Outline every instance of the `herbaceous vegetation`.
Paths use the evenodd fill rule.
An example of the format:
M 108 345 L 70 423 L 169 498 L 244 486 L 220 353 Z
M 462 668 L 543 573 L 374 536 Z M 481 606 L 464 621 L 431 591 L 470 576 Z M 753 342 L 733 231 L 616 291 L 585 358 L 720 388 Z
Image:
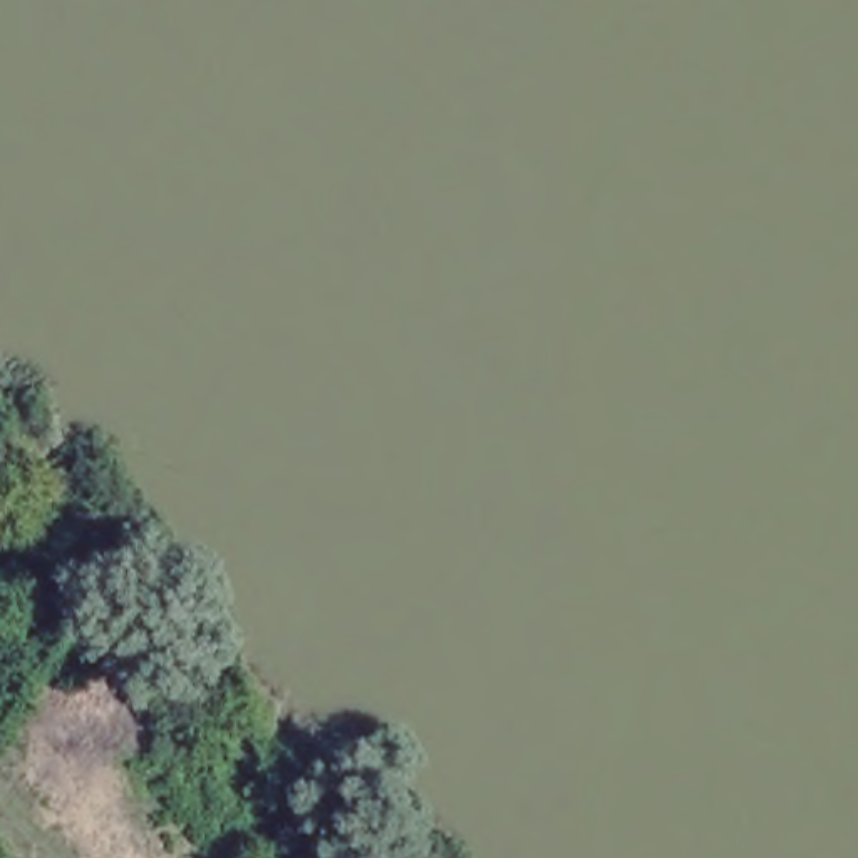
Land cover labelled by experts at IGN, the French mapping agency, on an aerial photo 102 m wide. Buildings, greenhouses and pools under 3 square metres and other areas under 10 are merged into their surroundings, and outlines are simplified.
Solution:
M 0 757 L 0 858 L 80 858 L 80 848 L 64 835 L 60 824 L 40 824 L 40 811 L 50 804 L 50 794 L 27 781 L 23 731 L 20 727 L 10 737 L 10 747 Z
M 127 781 L 121 794 L 124 818 L 134 828 L 144 828 L 147 821 L 154 811 L 151 791 L 144 784 Z
M 194 851 L 181 824 L 168 821 L 154 828 L 168 858 L 191 858 Z

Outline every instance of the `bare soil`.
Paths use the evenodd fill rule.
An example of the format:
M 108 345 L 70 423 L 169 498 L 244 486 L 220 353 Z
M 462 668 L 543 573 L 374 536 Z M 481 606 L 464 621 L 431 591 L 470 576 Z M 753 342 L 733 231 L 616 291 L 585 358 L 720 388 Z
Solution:
M 64 835 L 80 848 L 80 858 L 168 858 L 154 828 L 147 821 L 144 828 L 134 828 L 124 818 L 121 794 L 127 781 L 121 764 L 134 751 L 141 757 L 151 754 L 154 717 L 134 707 L 124 684 L 114 690 L 104 680 L 90 680 L 84 690 L 47 687 L 40 714 L 23 731 L 27 781 L 50 794 L 50 804 L 40 811 L 40 824 L 60 824 Z

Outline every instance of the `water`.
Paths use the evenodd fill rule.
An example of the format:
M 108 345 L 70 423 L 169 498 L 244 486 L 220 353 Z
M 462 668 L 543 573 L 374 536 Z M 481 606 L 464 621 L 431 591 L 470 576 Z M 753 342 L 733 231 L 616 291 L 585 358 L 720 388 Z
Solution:
M 328 737 L 342 737 L 355 747 L 362 737 L 372 737 L 382 724 L 406 724 L 426 751 L 426 764 L 412 781 L 416 791 L 429 798 L 436 824 L 469 841 L 476 858 L 858 858 L 858 0 L 0 0 L 0 352 L 27 359 L 50 375 L 60 426 L 101 426 L 121 442 L 127 466 L 134 479 L 144 486 L 151 506 L 171 519 L 181 540 L 188 540 L 184 550 L 198 543 L 221 560 L 231 580 L 235 617 L 245 637 L 248 667 L 261 694 L 278 707 L 278 721 L 295 721 L 298 727 L 312 731 L 318 744 Z

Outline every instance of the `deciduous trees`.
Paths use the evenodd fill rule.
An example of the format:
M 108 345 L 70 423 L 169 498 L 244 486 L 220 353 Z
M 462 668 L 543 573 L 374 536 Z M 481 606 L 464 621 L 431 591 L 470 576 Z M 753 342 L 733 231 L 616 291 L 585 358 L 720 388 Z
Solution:
M 406 724 L 382 724 L 372 737 L 362 737 L 355 747 L 342 737 L 328 737 L 318 744 L 312 731 L 298 727 L 295 721 L 278 721 L 278 707 L 261 694 L 248 667 L 245 637 L 235 617 L 231 580 L 221 560 L 198 543 L 184 550 L 188 540 L 181 540 L 171 519 L 151 506 L 144 486 L 134 479 L 127 466 L 121 442 L 101 426 L 60 426 L 50 375 L 27 359 L 0 352 L 0 757 L 10 747 L 10 737 L 20 727 L 23 731 L 40 714 L 47 687 L 84 690 L 90 680 L 104 680 L 114 690 L 124 684 L 134 707 L 154 717 L 151 754 L 141 757 L 134 751 L 121 764 L 127 781 L 144 784 L 151 791 L 154 811 L 147 821 L 154 828 L 168 821 L 181 824 L 194 851 L 191 858 L 476 858 L 469 841 L 436 824 L 429 798 L 416 791 L 412 781 L 426 764 L 426 751 Z

